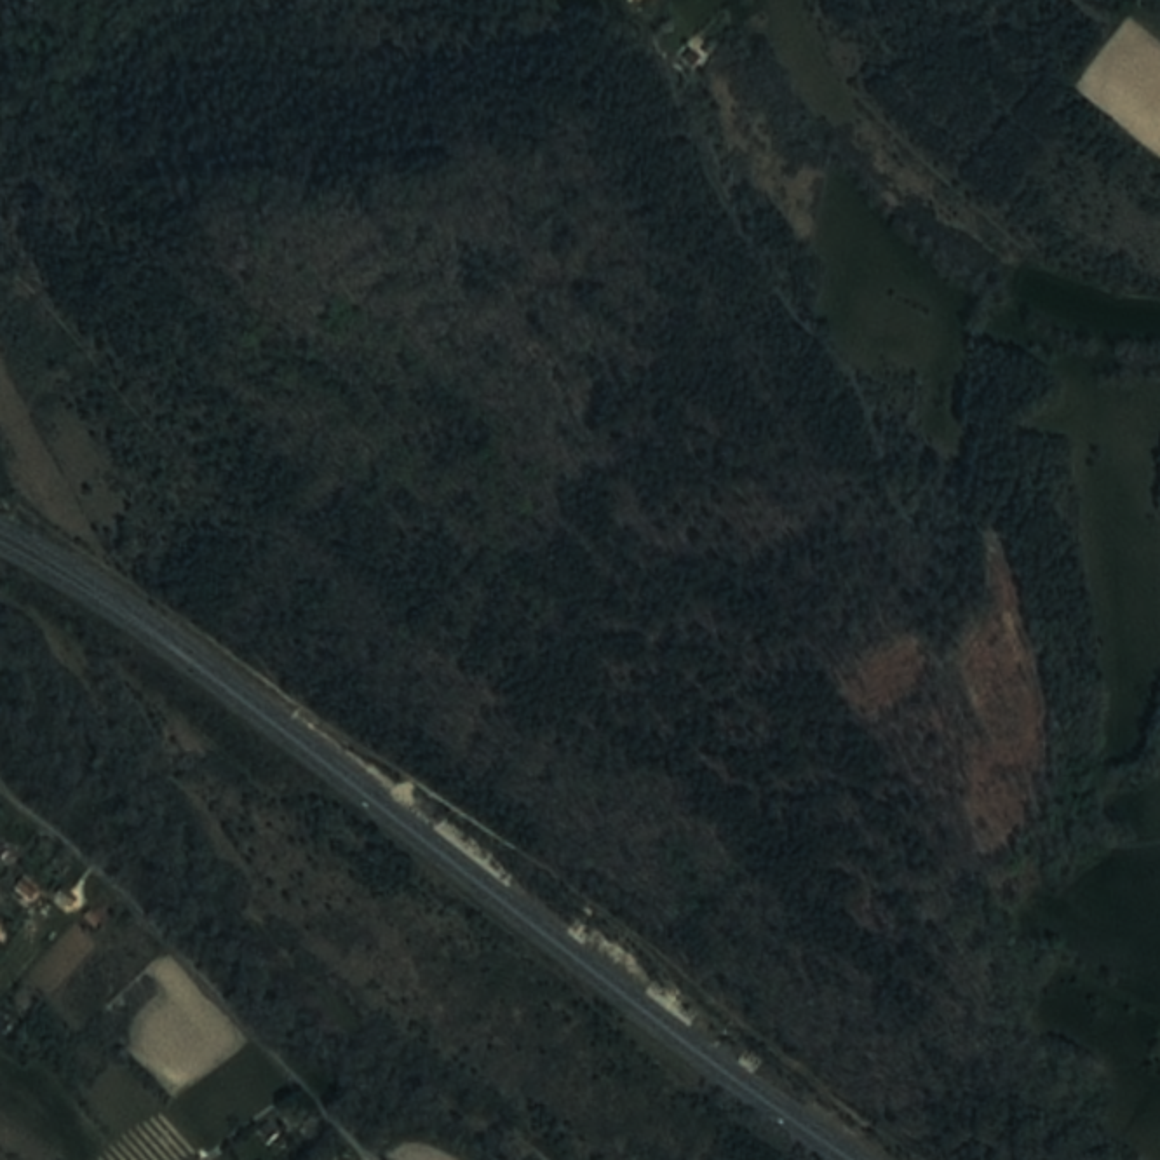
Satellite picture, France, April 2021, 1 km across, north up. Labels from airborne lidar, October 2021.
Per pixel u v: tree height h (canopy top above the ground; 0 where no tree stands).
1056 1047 17
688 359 23
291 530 22
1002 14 6
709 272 21
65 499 0
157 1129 0
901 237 17
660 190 16
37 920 0
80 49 22
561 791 24
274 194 23
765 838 24
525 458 20
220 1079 0
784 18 0
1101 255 6
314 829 9
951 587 19
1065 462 11
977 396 16
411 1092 14
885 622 9
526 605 22
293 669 19
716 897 21
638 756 26
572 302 12
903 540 17
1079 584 11
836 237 0
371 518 25
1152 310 0
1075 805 18
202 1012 0
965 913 27
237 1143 8
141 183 8
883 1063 17
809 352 18
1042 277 0
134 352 10
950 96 13
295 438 23
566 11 12
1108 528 0
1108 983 16
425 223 22
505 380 22
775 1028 22
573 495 22
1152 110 0
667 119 13
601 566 17
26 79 17
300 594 20
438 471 15
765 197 10
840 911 23
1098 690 21
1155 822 0
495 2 14
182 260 21
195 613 21
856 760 26
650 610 18
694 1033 0
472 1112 10
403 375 21
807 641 13
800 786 13
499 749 16
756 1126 21
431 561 26
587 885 20
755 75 16
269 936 9
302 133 22
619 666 18
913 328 0
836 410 17
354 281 21
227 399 17
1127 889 0
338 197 24
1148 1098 0
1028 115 15
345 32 26
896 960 22
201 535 17
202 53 20
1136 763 12
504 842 15
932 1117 20
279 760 10
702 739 23
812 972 21
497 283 23
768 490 22
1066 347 16
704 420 19
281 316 19
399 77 16
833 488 16
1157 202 5
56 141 13
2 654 26
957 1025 16
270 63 16
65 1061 5
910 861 12
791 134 19
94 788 25
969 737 11
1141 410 0
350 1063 23
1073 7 9
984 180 12
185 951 17
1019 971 24
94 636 12
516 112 18
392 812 0
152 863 16
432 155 14
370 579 24
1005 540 19
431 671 20
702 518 16
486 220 22
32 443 0
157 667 7
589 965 0
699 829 23
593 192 16
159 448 9
